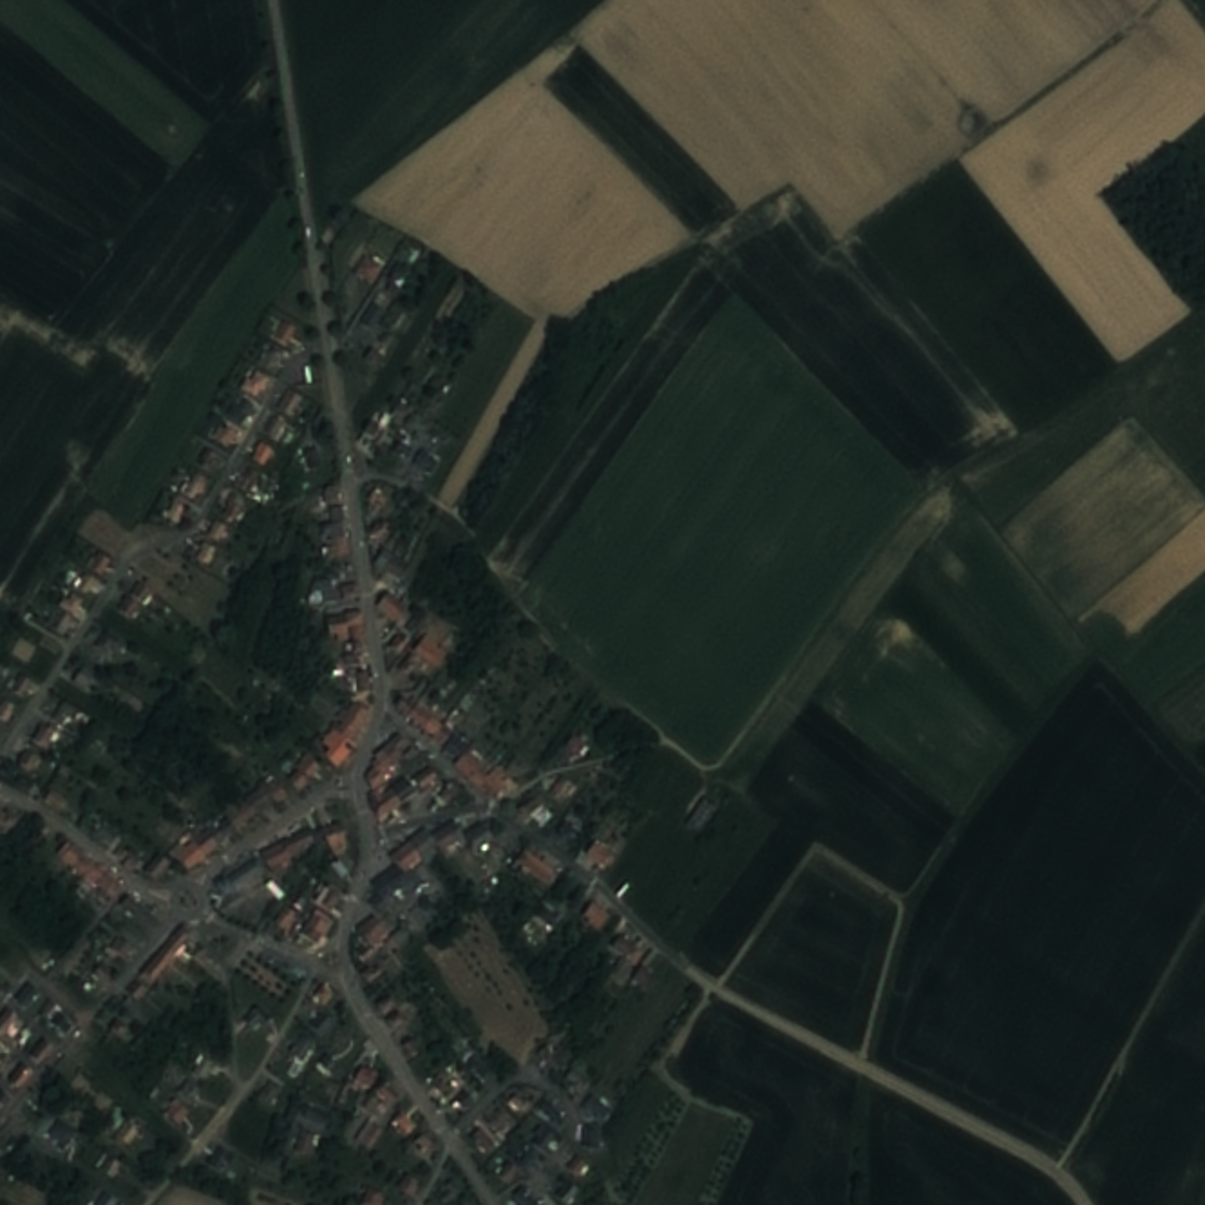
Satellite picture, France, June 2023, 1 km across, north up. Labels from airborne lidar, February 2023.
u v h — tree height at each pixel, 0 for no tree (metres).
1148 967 0
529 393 15
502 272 0
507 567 0
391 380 0
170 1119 0
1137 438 0
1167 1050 0
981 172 0
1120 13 0
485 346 0
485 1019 0
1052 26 0
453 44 0
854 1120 0
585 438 0
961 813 0
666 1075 0
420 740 0
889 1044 0
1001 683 0
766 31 0
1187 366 0
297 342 0
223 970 0
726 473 0
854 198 0
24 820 6
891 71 0
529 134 0
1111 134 0
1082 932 0
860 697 0
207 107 0
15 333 0
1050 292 0
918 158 0
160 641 0
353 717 0
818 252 0
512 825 0
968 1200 0
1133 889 0
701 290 0
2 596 0
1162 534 0
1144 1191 0
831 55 0
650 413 0
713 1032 0
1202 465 0
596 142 0
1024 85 0
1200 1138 0
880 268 0
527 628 12
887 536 0
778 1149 0
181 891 0
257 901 0
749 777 0
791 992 0
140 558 0
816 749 0
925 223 0
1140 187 17
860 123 0
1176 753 0
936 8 0
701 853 0
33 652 0
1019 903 0
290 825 0
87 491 0
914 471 0
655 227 0
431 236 0
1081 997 0
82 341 0
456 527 0
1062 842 0
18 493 0
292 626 8
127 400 0
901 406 0
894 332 0
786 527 0
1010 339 0
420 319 0
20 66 0
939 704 0
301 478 0
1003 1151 0
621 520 0
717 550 0
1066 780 0
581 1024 0
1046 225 0
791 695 0
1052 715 0
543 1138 0
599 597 0
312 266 0
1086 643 0
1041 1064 0
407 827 0
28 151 0
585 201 0
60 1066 0
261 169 0
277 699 6
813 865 0
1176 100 0
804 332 0
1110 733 0
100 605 0
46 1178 11
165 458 0
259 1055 0
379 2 0
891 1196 0
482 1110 0
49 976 0
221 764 13
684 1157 0
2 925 0
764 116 0
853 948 0
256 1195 7
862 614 0
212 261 0
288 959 0
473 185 0
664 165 0
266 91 0
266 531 0
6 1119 0
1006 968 0
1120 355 0
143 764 6
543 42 0
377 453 8
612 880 0
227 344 0
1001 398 0
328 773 0
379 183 0
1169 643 0
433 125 0
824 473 0
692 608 0
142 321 0
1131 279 0
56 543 0
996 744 0
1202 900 0
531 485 0
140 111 0
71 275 0
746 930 0
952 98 0
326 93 0
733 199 0
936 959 0
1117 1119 0
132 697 0
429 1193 0
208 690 6
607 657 0
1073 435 0
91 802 13
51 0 0
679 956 0
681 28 0
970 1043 0
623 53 0
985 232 0
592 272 0
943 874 0
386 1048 0
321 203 0
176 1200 0
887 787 0
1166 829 0
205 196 0
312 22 0
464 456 0
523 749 0
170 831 0
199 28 0
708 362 0
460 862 0
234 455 0
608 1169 0
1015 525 0
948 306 0
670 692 0
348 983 0
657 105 0
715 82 0
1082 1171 0
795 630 0
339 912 0
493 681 6
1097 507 0
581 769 0
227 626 12
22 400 0
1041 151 0
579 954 7
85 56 0
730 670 0
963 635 0
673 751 0
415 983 6
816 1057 0
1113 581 0
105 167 0
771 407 0
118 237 0
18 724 0
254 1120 0
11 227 0
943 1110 0
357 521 0
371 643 0
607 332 12
